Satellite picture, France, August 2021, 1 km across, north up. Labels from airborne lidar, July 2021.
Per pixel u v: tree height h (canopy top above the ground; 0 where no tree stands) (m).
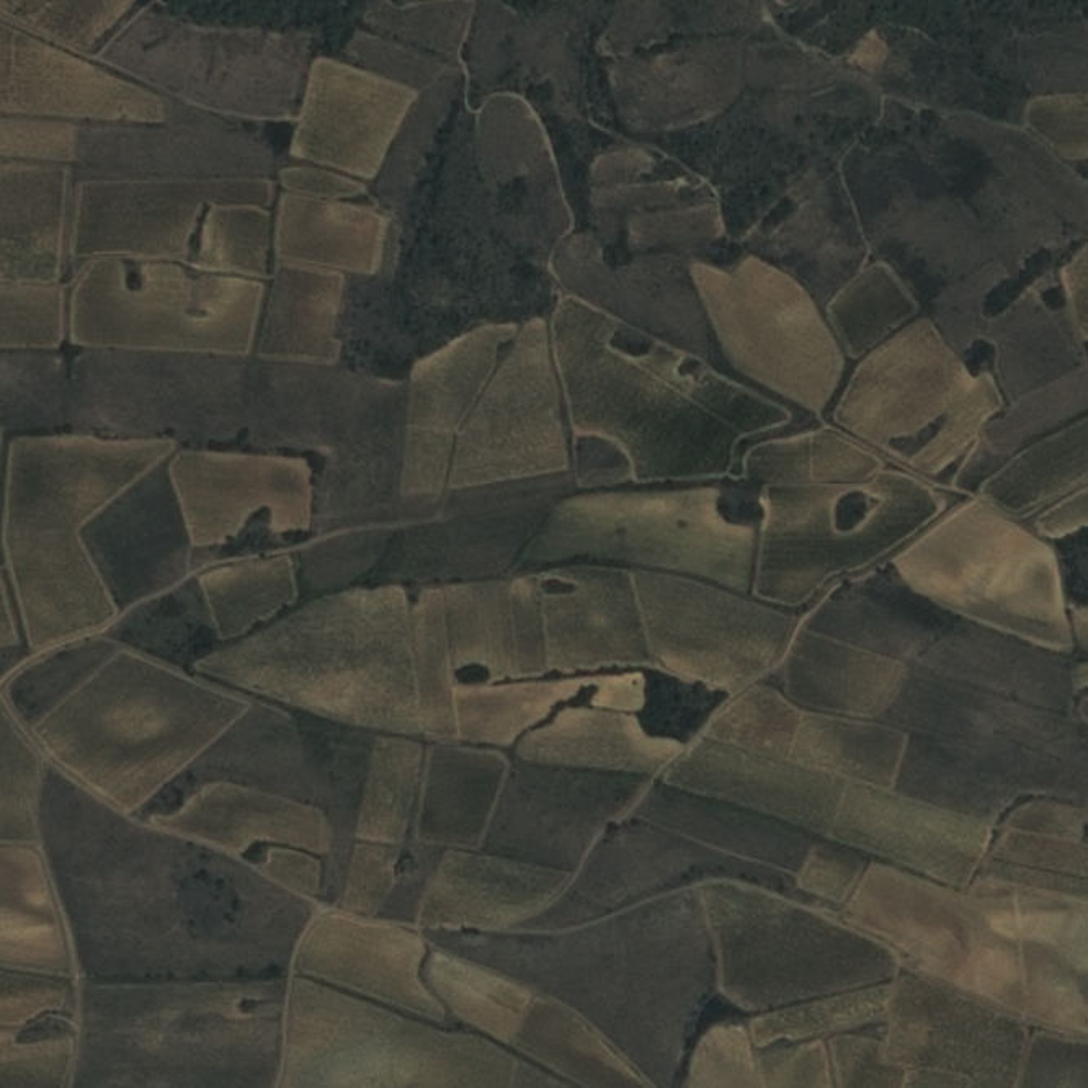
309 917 0
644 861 0
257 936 0
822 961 0
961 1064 0
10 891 0
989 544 0
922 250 0
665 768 0
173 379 0
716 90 0
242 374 0
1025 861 0
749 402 0
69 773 0
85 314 0
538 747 0
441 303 0
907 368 0
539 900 0
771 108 0
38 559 0
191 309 0
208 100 0
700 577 0
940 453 0
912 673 0
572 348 0
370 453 0
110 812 0
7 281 0
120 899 0
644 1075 0
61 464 0
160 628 0
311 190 0
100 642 0
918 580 0
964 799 0
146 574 0
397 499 0
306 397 0
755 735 0
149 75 0
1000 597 0
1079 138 0
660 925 0
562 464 0
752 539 0
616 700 0
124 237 0
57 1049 0
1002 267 0
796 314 0
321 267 0
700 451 0
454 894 0
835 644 0
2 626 0
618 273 0
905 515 0
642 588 0
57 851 0
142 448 0
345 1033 0
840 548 0
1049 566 0
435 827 0
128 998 0
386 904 0
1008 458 0
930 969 0
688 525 0
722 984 0
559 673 7
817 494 0
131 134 0
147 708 0
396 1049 0
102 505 0
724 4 0
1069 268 0
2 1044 0
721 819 0
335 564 0
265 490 0
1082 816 0
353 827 0
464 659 0
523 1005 0
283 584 0
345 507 0
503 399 0
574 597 0
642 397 0
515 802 0
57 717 0
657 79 0
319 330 0
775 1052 0
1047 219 0
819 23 0
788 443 0
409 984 0
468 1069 0
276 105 0
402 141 0
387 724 0
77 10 0
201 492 0
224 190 0
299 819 0
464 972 0
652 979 0
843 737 0
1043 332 0
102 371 0
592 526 0
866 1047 0
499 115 0
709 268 0
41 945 0
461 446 0
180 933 0
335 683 0
